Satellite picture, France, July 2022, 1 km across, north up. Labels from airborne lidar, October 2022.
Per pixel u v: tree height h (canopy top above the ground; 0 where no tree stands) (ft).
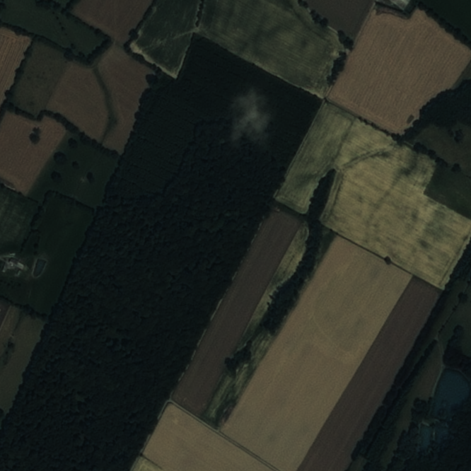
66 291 50
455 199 0
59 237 0
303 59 0
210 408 0
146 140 32
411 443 73
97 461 73
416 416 58
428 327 39
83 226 0
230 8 0
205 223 73
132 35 44
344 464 0
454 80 0
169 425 0
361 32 0
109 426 78
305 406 0
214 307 52
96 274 89
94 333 80
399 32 0
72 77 0
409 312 0
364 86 0
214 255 83
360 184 0
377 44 0
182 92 24
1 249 0
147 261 75
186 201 74
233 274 52
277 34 0
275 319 72
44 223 0
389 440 58
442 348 0
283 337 0
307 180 0
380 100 0
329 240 0
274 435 0
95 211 47
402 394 73
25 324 0
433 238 0
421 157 0
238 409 0
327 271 0
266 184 71
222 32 0
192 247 87
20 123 0
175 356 76
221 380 0
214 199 71
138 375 77
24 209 0
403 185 0
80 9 0
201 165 64
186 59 18
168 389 70
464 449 77
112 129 0
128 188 31
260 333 0
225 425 0
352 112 0
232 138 67
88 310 53
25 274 0
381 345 0
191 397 0
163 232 76
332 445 0
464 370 40
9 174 0
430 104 38
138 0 0
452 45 0
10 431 87
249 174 72
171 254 77
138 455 40
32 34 23
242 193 65
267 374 0
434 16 45
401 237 0
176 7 0
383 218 0
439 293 0
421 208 0
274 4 0
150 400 65
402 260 0
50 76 0
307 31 0
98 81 0
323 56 0
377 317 0
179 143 31
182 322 69
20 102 0
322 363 0
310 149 0
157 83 97
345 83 0
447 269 0
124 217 59
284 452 0
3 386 0
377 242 0
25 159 0
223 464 0
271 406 0
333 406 0
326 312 0
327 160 0
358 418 0
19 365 0
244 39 0
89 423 67
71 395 44
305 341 0
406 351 0
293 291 83
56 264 0
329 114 0
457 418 52
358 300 0
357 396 0
